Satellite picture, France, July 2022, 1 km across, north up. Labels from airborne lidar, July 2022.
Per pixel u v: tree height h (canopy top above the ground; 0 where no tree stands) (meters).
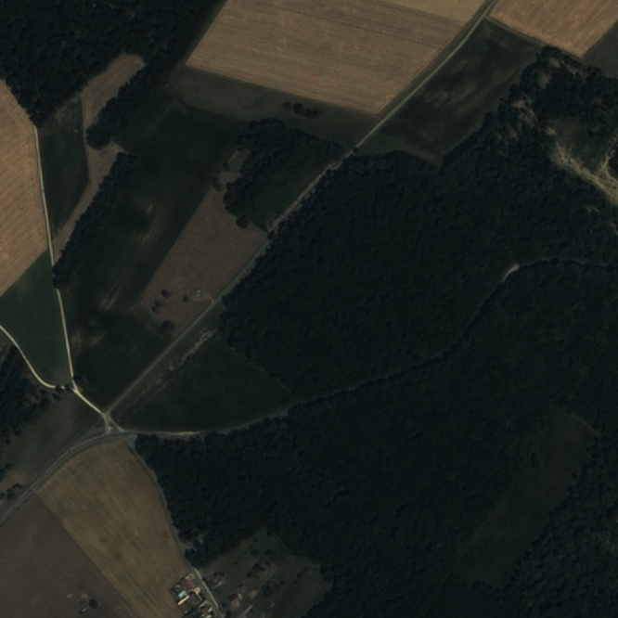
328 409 28
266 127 23
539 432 26
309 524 31
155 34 18
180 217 0
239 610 0
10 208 0
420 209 32
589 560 25
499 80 0
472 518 29
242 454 25
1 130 0
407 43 0
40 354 0
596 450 16
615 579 27
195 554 17
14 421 17
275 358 29
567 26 0
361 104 0
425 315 29
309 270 30
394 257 27
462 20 0
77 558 0
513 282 22
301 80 0
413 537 29
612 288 25
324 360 27
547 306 19
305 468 28
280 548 0
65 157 0
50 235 0
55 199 0
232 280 0
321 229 22
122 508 0
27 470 0
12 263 0
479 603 16
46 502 0
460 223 28
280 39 0
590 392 19
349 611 23
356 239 27
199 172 0
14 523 0
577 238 29
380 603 27
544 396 23
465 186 23
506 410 26
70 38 29
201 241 0
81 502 0
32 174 0
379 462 26
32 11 31
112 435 0
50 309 0
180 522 24
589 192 27
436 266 31
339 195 33
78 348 0
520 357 26
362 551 25
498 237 23
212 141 0
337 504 24
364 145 0
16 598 0
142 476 0
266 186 28
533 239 26
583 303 24
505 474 21
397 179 10
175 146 0
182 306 0
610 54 0
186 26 27
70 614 0
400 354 25
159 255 0
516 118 17
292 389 25
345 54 0
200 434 0
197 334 0
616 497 22
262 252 0
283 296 23
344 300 32
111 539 0
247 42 0
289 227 13
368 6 0
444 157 0
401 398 25
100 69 21
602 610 32
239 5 0
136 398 0
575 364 28
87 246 22
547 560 29
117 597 0
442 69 0
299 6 0
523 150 19
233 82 0
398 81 0
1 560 0
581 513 25
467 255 26
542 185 23
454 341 18
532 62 0
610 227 30
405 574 25
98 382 0
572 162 0
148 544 0
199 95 0
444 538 27
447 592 17
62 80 23
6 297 0
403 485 27
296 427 27
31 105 24
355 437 27
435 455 31
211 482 25
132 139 0
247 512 30
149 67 12
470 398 25
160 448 27
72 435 0
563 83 17
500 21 0
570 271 25
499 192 19
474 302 31
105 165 0
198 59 0
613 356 15
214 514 27
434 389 29
